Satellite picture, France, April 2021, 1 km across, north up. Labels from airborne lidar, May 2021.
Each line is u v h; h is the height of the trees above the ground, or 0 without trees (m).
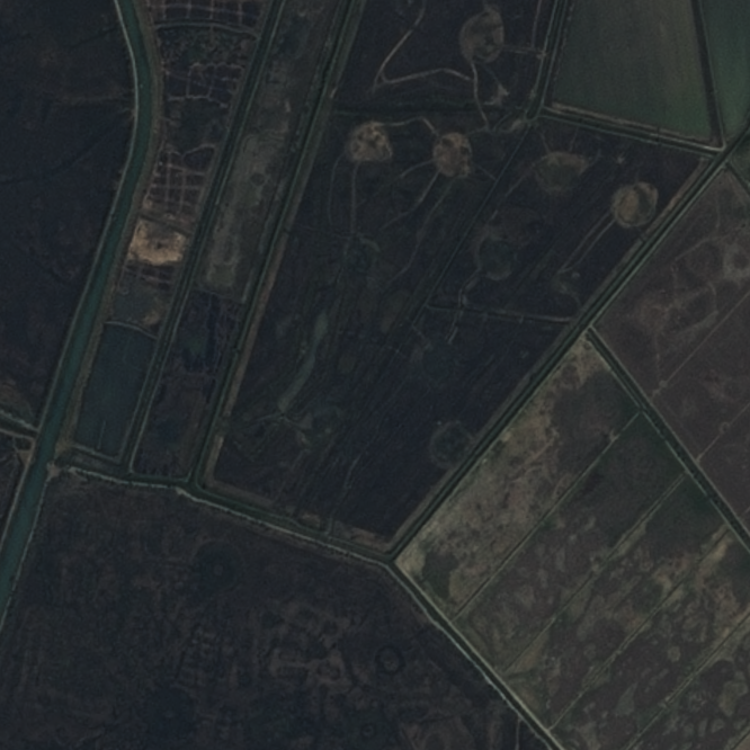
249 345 0
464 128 0
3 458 0
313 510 0
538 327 0
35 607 0
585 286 0
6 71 0
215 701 0
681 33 0
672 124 0
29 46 0
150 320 0
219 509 6
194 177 0
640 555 0
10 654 0
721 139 0
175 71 0
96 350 0
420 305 0
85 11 0
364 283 0
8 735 0
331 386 0
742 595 0
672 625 0
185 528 0
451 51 0
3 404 0
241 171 0
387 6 0
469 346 0
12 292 0
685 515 0
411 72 0
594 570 0
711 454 0
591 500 0
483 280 0
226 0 0
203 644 0
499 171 0
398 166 0
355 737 0
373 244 0
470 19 0
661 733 0
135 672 0
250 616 0
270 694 0
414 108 0
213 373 0
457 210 0
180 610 0
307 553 0
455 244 0
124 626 0
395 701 0
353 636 0
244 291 0
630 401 0
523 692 0
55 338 0
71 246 0
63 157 0
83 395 0
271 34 0
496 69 0
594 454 0
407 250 0
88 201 0
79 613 0
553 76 0
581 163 0
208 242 0
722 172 0
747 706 0
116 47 0
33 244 0
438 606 0
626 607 0
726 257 0
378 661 0
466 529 0
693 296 0
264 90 0
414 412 0
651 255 0
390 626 0
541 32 0
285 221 0
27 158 0
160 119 0
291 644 0
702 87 0
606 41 0
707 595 0
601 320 0
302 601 0
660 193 0
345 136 0
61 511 0
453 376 0
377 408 0
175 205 0
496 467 0
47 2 0
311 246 0
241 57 0
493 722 0
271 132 0
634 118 0
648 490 0
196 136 0
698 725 0
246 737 0
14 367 0
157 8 0
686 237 0
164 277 0
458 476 0
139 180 0
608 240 0
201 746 0
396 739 0
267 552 0
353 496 0
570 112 0
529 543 0
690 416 0
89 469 0
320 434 0
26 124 0
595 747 0
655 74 0
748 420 0
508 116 0
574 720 0
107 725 0
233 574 0
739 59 0
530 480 0
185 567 0
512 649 0
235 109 0
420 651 0
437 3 0
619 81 0
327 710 0
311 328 0
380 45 0
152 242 0
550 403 0
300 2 0
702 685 0
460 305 0
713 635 0
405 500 0
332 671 0
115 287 0
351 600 0
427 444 0
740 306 0
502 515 0
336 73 0
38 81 0
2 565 0
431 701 0
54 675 0
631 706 0
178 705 0
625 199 0
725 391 0
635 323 0
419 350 0
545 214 0
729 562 0
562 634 0
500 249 0
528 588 0
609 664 0
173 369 0
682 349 0
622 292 0
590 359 0
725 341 0
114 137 0
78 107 0
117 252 0
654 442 0
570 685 0
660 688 0
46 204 0
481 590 0
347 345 0
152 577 0
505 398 0
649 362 0
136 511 0
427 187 0
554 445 0
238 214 0
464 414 0
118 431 0
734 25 0
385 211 0
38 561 0
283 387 0
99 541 0
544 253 0
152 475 0
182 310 0
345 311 0
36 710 0
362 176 0
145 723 0
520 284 0
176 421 0
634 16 0
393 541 0
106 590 0
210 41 0
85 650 0
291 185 0
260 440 0
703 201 0
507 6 0
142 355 0
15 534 0
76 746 0
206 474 0
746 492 0
